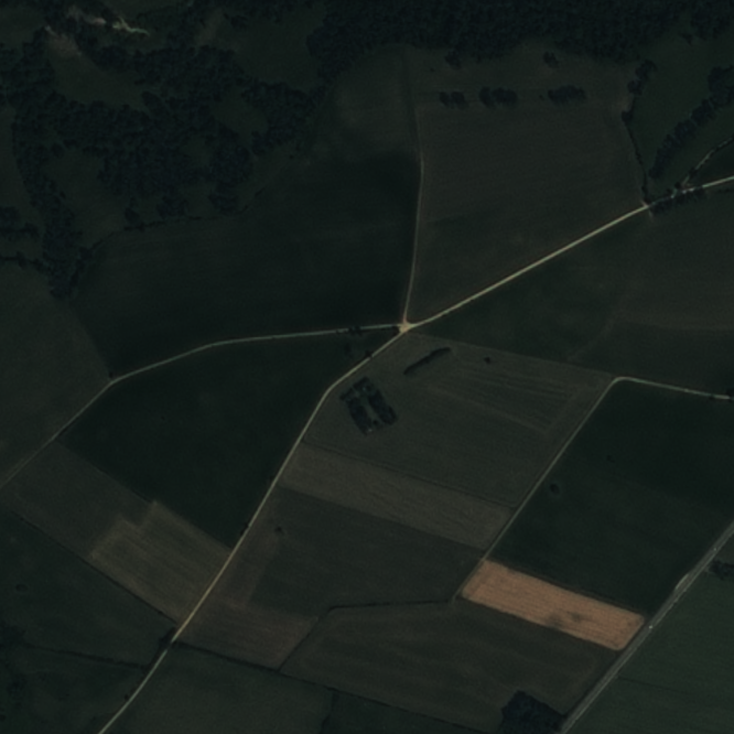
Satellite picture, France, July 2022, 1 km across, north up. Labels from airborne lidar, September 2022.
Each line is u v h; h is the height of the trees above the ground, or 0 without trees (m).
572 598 0
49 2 19
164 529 0
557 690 0
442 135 0
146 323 0
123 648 0
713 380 0
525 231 0
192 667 0
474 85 0
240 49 0
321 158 0
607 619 0
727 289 0
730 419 0
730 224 0
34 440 0
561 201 0
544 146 0
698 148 0
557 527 0
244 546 0
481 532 0
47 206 26
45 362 0
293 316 0
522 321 0
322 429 0
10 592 0
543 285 0
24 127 19
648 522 0
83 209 0
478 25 25
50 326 0
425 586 0
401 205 0
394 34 20
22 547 0
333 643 0
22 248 0
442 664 0
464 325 0
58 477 0
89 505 0
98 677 0
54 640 0
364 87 0
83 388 0
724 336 0
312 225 0
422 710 0
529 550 0
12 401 0
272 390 0
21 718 0
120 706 0
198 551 0
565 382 0
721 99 26
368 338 0
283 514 0
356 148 0
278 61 0
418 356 0
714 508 0
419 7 19
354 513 0
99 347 0
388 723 0
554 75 0
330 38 22
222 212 19
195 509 0
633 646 0
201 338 0
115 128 18
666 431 0
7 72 13
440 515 0
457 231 0
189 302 0
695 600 0
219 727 0
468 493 0
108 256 0
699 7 20
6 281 0
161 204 0
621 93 0
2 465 0
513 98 21
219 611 0
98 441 0
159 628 0
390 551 0
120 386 0
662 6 19
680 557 0
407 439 0
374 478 0
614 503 0
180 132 16
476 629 0
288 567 0
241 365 0
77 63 0
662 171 18
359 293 0
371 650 0
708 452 0
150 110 18
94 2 14
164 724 0
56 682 0
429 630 0
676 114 0
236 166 31
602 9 9
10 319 0
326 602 0
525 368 0
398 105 0
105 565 0
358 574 0
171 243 0
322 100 20
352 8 10
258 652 0
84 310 0
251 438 0
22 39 0
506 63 0
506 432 0
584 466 0
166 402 0
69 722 0
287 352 0
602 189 0
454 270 0
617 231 0
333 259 0
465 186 0
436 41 6
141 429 0
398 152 0
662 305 0
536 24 10
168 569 0
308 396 0
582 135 0
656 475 0
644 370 0
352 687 0
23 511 0
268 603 0
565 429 0
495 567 0
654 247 0
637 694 0
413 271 0
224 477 0
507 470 0
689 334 0
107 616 0
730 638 0
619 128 0
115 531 0
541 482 0
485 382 0
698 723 0
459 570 0
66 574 0
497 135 0
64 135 12
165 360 0
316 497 0
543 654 0
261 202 0
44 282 0
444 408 0
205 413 0
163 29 8
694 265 0
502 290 0
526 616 0
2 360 0
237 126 0
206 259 0
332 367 0
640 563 0
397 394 0
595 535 0
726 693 0
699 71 0
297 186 0
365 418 25
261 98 20
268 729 0
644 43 12
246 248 0
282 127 23
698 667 0
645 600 0
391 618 0
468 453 0
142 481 0
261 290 0
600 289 0
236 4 16
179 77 15
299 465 0
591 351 0
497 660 0
